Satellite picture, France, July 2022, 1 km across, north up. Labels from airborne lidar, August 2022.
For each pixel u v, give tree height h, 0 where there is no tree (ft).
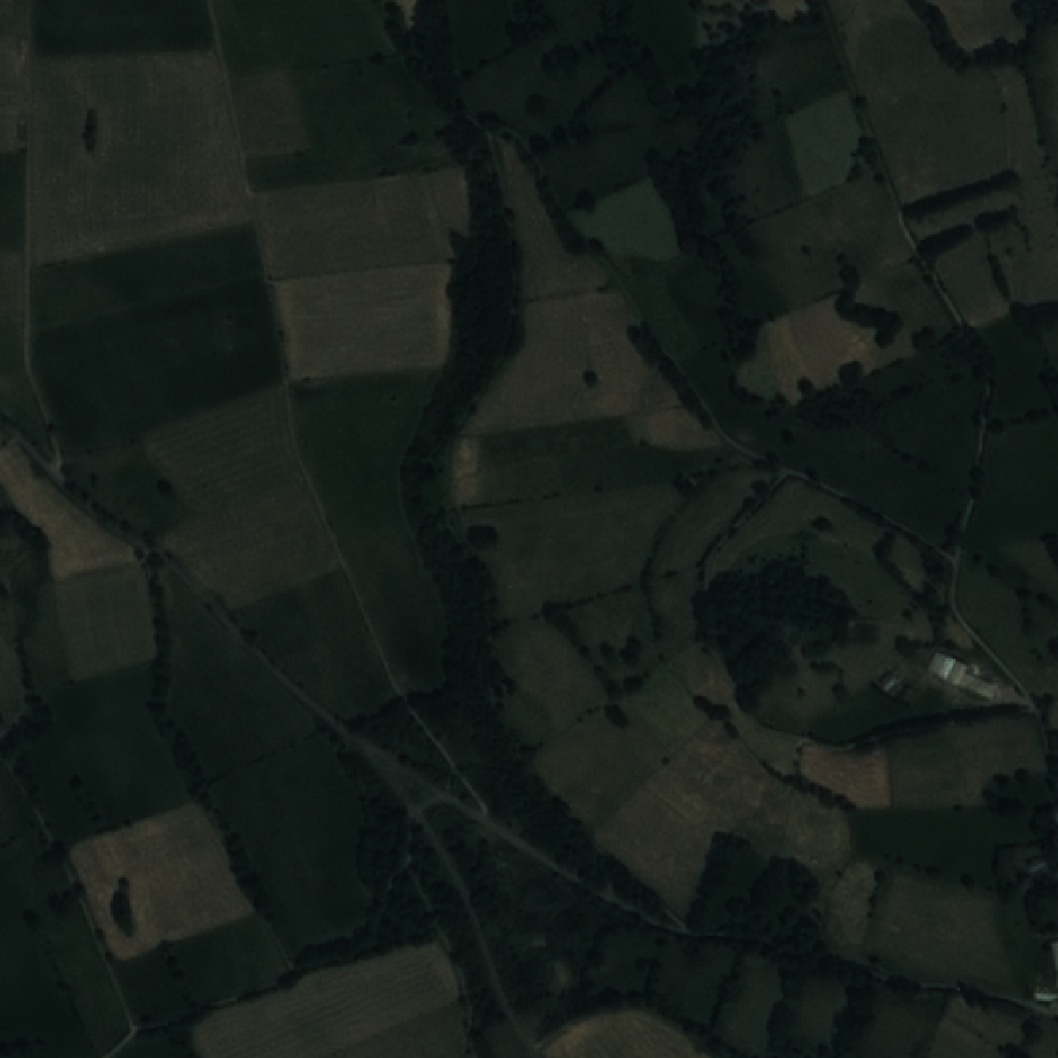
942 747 0
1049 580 0
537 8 69
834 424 47
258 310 0
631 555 0
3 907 0
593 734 0
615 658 55
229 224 0
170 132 0
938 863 0
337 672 0
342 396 0
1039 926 32
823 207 0
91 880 0
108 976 0
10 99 0
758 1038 0
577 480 0
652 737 0
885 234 0
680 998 0
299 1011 0
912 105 0
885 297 0
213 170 0
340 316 0
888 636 0
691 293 0
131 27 0
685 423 0
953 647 31
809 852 0
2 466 0
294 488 0
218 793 0
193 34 0
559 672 0
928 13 64
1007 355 0
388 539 0
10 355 0
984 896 0
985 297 0
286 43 0
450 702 23
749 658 68
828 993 0
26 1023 0
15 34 0
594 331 0
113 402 0
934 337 34
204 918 0
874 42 0
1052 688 0
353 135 0
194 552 0
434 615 0
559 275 0
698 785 0
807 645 42
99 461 0
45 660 0
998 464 0
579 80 0
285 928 0
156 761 0
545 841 24
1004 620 0
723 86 33
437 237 0
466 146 22
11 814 0
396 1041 0
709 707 45
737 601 32
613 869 73
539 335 0
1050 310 52
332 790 0
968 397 0
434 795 0
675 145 0
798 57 0
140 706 0
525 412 0
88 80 0
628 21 74
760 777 0
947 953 0
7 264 0
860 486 0
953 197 47
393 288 0
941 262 0
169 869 0
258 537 0
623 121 0
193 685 0
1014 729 0
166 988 0
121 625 0
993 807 39
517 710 0
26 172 0
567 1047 0
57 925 0
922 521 0
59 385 0
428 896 22
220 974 0
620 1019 0
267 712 0
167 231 0
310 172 0
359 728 42
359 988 0
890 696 23
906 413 0
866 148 46
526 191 0
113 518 32
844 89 0
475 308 26
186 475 0
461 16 0
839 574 0
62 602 0
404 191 0
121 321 0
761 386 0
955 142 0
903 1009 0
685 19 0
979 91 0
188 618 0
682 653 0
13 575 0
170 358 0
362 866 53
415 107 0
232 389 0
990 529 0
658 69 47
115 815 0
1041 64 0
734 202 30
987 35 0
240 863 52
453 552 46
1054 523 0
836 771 0
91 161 0
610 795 0
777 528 0
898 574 19
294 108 0
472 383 36
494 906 31
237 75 0
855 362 26
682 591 0
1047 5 68
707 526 0
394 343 0
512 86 0
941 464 0
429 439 30
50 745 0
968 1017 0
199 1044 0
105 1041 0
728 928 28
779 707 0
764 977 0
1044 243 0
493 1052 0
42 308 0
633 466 0
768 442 0
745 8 21
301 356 0
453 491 0
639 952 0
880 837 0
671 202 43
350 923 0
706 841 0
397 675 0
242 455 0
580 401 0
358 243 0
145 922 0
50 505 0
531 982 22
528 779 32
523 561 0
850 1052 64
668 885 0
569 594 0
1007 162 0
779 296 0
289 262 0
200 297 0
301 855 0
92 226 0
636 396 0
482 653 48
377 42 0
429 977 0
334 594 0
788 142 0
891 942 0
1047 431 0
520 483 0
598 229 0
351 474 0
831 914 0
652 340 56
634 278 0
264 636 0
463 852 40
